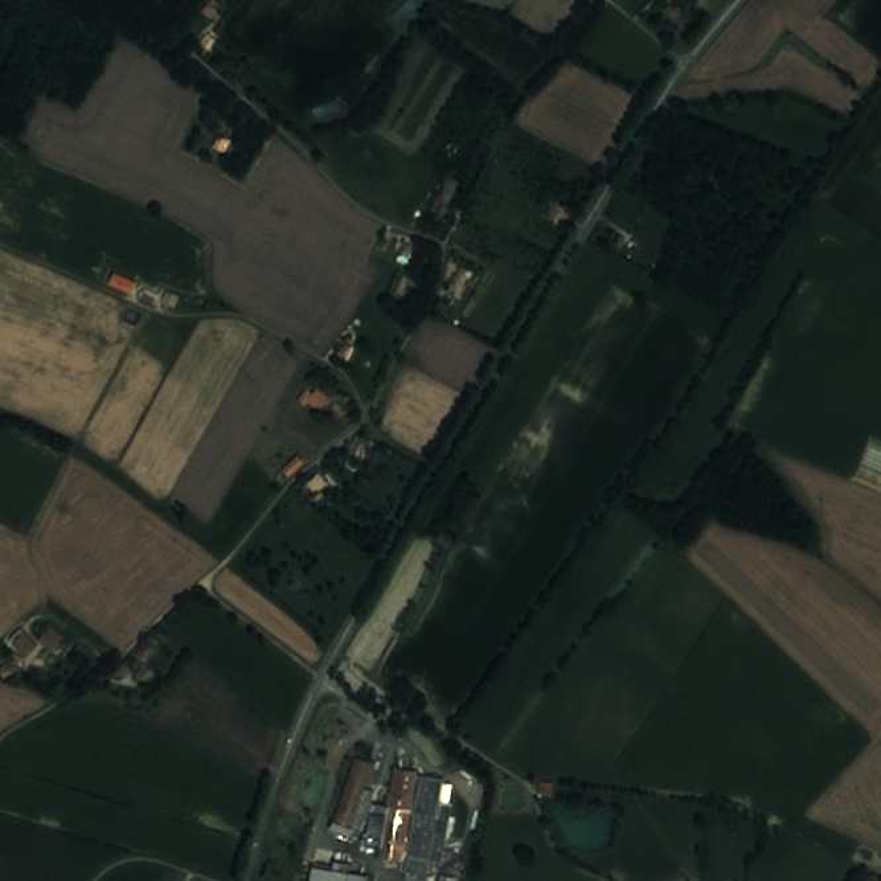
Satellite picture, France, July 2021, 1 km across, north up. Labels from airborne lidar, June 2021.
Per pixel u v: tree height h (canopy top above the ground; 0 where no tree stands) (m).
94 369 0
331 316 0
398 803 0
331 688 0
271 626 0
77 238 0
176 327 0
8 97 16
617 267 0
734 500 25
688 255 31
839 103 0
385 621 0
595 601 0
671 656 0
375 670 0
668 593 0
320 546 0
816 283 0
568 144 0
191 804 0
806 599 0
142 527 0
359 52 0
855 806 0
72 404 0
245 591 0
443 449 26
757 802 0
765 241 12
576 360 0
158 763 0
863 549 0
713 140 22
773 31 0
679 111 23
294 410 0
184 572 0
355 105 0
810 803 0
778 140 0
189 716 0
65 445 15
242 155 15
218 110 17
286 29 0
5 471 0
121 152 0
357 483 9
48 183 0
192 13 8
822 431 0
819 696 0
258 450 0
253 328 0
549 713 0
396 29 0
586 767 0
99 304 0
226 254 0
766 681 0
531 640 0
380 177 0
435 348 0
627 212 0
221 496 0
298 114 0
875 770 0
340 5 0
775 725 0
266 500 0
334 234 0
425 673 0
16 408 0
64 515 0
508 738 0
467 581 0
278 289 0
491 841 0
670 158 20
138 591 0
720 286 29
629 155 26
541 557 0
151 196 0
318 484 0
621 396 0
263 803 18
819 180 11
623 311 0
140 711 6
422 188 0
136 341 0
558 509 0
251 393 0
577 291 0
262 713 0
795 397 0
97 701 0
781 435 0
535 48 0
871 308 0
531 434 0
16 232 0
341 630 0
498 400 20
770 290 0
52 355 0
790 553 0
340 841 0
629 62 0
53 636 0
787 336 0
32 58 16
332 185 0
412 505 19
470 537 0
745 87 0
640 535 0
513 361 21
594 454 0
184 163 0
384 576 26
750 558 0
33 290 0
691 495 15
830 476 0
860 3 0
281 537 0
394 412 0
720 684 0
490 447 0
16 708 0
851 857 0
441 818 0
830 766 0
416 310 21
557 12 0
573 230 19
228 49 7
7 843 0
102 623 0
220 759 0
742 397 6
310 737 0
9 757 0
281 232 0
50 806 0
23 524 0
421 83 0
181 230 0
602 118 0
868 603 0
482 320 0
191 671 0
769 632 0
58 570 0
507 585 0
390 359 9
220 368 0
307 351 0
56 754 0
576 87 0
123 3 18
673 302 0
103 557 0
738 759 0
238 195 0
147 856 0
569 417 0
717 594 0
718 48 0
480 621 0
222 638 0
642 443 0
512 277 0
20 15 7
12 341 0
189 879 0
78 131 0
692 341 0
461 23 0
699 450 0
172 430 0
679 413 8
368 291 0
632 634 0
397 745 0
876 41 0
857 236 0
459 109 7
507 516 0
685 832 0
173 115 0
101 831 0
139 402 0
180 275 0
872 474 0
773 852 0
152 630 9
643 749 0
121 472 0
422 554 0
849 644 0
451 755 8
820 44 0
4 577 0
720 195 28
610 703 0
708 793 0
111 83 0
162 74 0
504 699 0
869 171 0
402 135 0
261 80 0
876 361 0
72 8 13
